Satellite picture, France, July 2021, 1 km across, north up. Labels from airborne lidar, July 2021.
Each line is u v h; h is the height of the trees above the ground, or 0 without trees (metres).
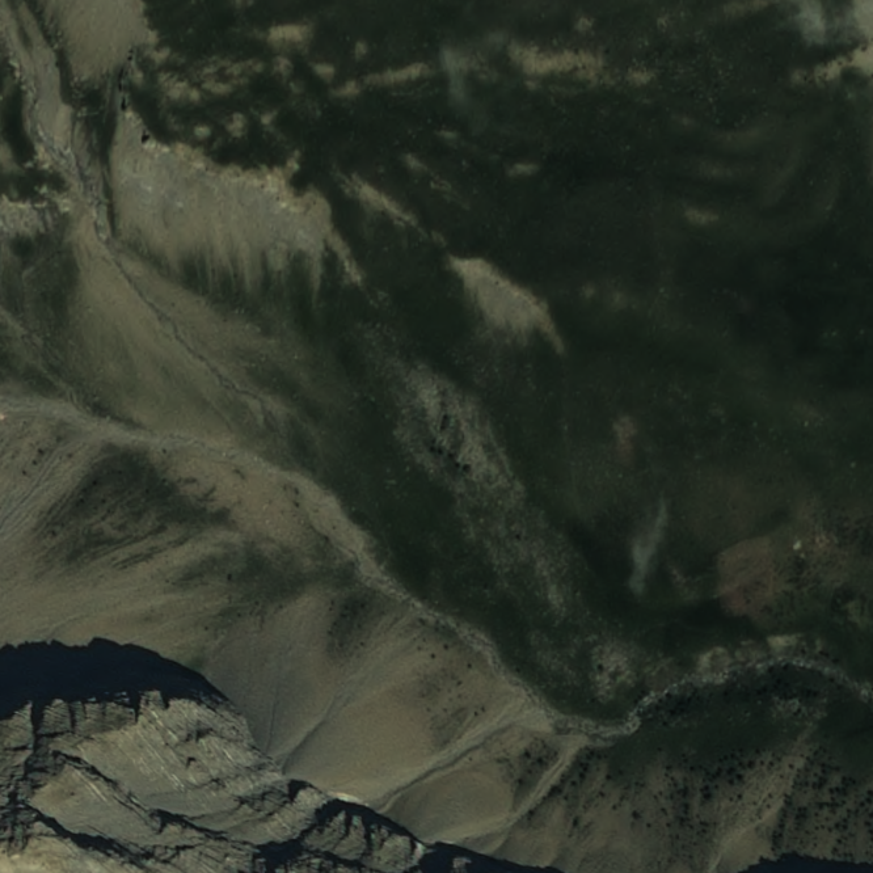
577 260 0
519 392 0
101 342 0
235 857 0
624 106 0
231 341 0
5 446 0
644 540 0
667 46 0
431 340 0
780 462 0
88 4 0
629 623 0
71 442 0
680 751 0
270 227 0
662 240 0
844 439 0
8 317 0
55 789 0
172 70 0
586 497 0
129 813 0
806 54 0
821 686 0
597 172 0
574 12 0
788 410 0
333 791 0
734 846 0
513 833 0
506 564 0
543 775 0
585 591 0
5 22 0
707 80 0
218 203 0
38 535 0
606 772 0
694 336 0
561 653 0
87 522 0
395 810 0
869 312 0
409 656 0
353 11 0
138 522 0
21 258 0
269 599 0
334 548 0
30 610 0
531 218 0
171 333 0
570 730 0
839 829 7
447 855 0
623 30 0
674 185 0
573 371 0
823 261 0
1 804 0
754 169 0
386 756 0
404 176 0
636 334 0
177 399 0
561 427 0
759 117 0
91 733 0
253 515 0
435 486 0
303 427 0
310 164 0
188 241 0
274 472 0
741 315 0
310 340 0
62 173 0
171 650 0
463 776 0
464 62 0
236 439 0
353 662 0
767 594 0
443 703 0
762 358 0
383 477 0
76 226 0
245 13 0
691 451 0
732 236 0
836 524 0
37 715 0
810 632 0
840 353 0
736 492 0
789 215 0
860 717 0
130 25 0
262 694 0
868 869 0
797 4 0
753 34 0
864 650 0
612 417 0
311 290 0
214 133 0
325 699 0
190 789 0
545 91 0
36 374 0
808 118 0
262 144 0
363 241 0
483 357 0
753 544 0
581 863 0
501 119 0
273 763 0
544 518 0
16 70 0
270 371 0
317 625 0
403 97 0
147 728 0
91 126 0
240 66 0
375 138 0
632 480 0
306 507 0
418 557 0
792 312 0
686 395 0
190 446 0
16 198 0
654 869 0
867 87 0
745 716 0
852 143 0
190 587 0
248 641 0
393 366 0
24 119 0
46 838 0
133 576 0
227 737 0
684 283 0
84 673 0
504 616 0
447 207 0
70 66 0
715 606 0
